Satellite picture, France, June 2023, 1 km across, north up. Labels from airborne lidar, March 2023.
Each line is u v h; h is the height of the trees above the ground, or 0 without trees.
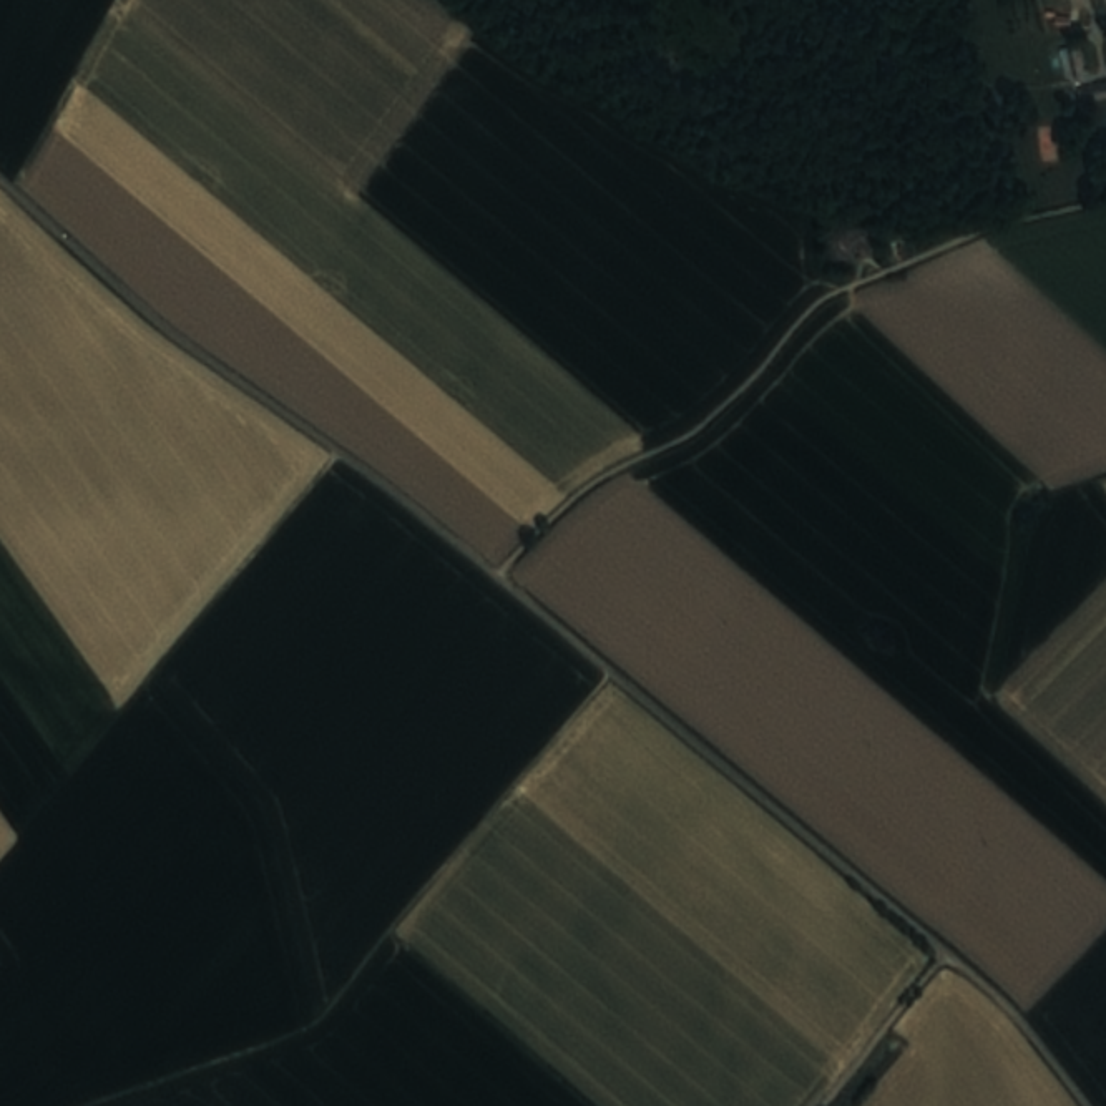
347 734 0
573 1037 0
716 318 0
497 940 0
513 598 0
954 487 0
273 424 0
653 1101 0
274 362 0
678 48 0
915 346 0
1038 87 0
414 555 0
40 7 0
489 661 0
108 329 0
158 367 0
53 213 0
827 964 0
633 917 0
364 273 0
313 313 0
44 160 0
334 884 0
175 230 0
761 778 0
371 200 0
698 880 0
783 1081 0
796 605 0
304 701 0
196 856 0
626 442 0
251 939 0
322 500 0
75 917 0
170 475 0
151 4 0
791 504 0
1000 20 0
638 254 0
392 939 0
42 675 0
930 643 0
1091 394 0
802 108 25
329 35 0
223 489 0
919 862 0
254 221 0
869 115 27
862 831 0
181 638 0
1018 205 21
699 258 0
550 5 23
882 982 0
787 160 21
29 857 0
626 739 0
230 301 0
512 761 0
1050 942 0
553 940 0
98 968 0
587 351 0
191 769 0
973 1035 0
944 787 0
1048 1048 0
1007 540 0
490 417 0
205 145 0
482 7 24
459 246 0
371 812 0
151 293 0
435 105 0
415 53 0
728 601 0
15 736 0
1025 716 0
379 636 0
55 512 0
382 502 0
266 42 0
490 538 0
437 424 0
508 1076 0
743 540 0
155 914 0
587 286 0
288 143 0
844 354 0
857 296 0
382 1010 0
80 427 0
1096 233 0
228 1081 0
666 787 0
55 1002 0
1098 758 0
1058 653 0
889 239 8
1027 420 0
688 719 0
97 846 0
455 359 0
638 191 0
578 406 0
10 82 0
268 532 0
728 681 0
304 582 0
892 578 0
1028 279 0
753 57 11
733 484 0
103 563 0
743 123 23
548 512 0
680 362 0
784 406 0
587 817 0
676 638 0
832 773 0
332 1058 0
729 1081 0
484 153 0
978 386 0
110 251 0
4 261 0
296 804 0
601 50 17
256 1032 0
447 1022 0
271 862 0
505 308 0
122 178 0
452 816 0
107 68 0
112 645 0
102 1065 0
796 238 0
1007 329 0
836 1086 0
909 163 25
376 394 0
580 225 0
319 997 0
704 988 0
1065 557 0
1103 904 0
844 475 0
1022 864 0
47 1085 0
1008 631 0
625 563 0
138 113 0
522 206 0
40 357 0
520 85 0
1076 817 0
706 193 0
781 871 0
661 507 0
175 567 0
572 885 0
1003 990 0
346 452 0
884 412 0
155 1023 0
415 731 0
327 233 0
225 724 0
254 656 0
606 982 0
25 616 0
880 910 9
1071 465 0
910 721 0
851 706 0
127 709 0
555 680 0
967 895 0
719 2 27
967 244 0
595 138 0
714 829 0
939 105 21
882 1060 0
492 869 0
